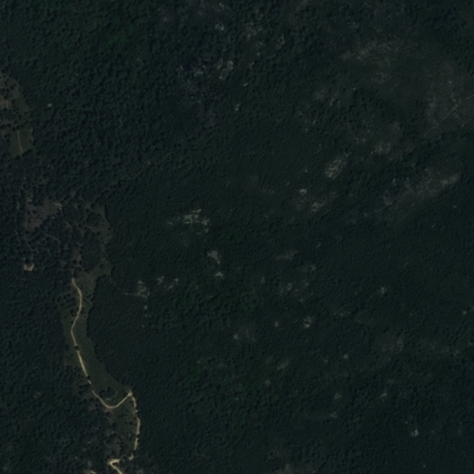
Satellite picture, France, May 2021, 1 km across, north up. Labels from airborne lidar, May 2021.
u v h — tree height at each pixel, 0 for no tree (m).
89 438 13
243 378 8
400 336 18
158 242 10
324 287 13
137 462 11
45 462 8
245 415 16
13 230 16
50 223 15
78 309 8
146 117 15
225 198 9
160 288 8
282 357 7
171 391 15
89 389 19
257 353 15
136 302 13
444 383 6
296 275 9
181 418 13
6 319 17
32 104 10
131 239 8
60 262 12
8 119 18
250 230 8
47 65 18
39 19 19
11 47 24
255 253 10
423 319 8
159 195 10
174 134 8
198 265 11
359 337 8
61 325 15
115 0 10
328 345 12
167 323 21
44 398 12
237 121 11
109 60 18
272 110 15
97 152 10
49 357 15
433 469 11
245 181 6
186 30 15
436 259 11
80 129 16
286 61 20
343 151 16
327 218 12
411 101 7
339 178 10
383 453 11
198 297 15
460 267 7
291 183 10
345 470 22
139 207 14
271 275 13
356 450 21
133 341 15
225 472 10
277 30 22
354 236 12
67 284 17
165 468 11
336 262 10
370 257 11
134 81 23
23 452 10
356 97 16
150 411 12
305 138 10
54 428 12
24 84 13
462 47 9
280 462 11
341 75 6
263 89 15
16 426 11
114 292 13
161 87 24
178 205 9
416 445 8
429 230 6
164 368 11
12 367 13
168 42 12
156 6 9
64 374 12
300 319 8
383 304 9
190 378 10
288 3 16
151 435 11
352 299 13
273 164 12
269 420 14
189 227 11
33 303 19
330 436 19
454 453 9
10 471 9
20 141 0
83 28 22
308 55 8
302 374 9
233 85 12
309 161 10
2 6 23
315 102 6
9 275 18
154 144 5
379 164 13
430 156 15
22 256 17
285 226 9
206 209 14
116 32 22
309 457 15
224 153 16
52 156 15
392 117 12
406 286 10
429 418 8
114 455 15
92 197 20
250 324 7
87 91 22
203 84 14
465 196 7
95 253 18
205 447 17
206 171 21
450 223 12
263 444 6
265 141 7
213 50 18
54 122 22
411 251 10
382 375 10
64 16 20
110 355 14
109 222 14
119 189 19
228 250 11
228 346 10
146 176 14
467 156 10
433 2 12
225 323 17
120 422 0
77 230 15
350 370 10
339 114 7
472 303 6
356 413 12
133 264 9
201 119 23
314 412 10
